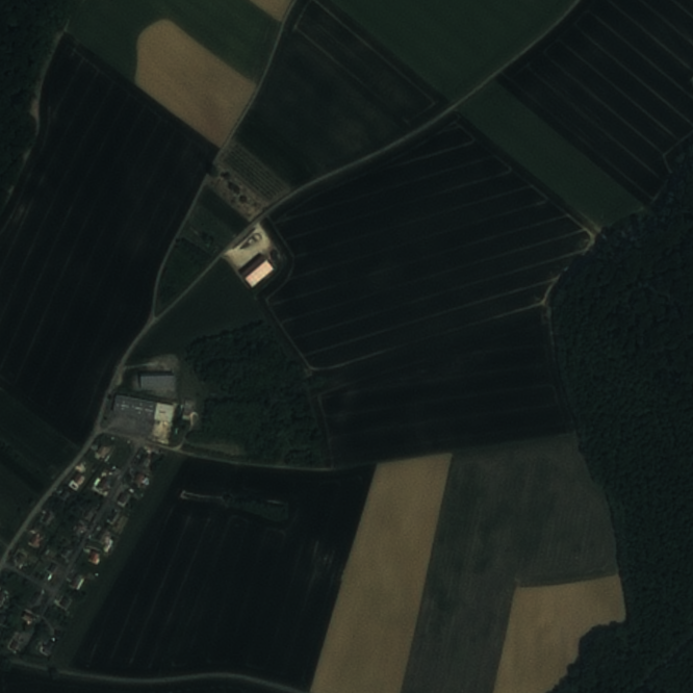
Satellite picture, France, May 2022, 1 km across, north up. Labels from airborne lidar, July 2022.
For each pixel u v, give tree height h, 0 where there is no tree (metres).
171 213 0
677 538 24
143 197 0
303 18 0
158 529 0
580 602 0
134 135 0
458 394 0
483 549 0
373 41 0
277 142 0
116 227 0
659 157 0
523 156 0
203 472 0
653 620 20
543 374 0
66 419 0
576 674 16
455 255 0
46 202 0
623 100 0
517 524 0
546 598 0
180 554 0
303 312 0
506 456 0
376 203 0
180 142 0
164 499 0
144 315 0
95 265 0
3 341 0
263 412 22
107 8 0
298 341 0
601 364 23
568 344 20
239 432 12
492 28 0
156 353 0
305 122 0
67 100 0
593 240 0
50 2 21
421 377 0
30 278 0
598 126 0
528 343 0
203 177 0
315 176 0
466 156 0
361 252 0
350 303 0
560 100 0
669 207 27
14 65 31
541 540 0
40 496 0
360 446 0
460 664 0
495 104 0
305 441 10
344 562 0
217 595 0
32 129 20
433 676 0
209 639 0
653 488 24
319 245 0
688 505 22
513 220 0
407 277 0
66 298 0
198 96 0
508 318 0
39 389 0
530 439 0
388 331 0
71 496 8
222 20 0
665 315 26
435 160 0
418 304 0
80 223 0
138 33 0
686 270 33
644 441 19
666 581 21
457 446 0
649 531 22
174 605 0
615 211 0
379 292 0
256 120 0
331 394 0
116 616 0
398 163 0
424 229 0
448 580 0
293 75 0
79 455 0
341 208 0
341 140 0
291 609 0
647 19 0
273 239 0
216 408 17
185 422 8
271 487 0
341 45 0
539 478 0
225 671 0
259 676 0
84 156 0
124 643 0
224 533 0
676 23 0
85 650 0
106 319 0
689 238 26
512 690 0
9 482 0
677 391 28
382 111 0
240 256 0
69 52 0
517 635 0
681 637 20
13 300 0
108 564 0
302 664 0
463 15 0
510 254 0
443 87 0
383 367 0
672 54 0
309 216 0
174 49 0
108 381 0
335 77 0
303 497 0
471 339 0
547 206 0
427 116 0
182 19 0
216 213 0
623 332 24
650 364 26
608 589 0
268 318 0
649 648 21
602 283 29
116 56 0
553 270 0
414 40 0
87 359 0
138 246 0
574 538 0
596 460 21
